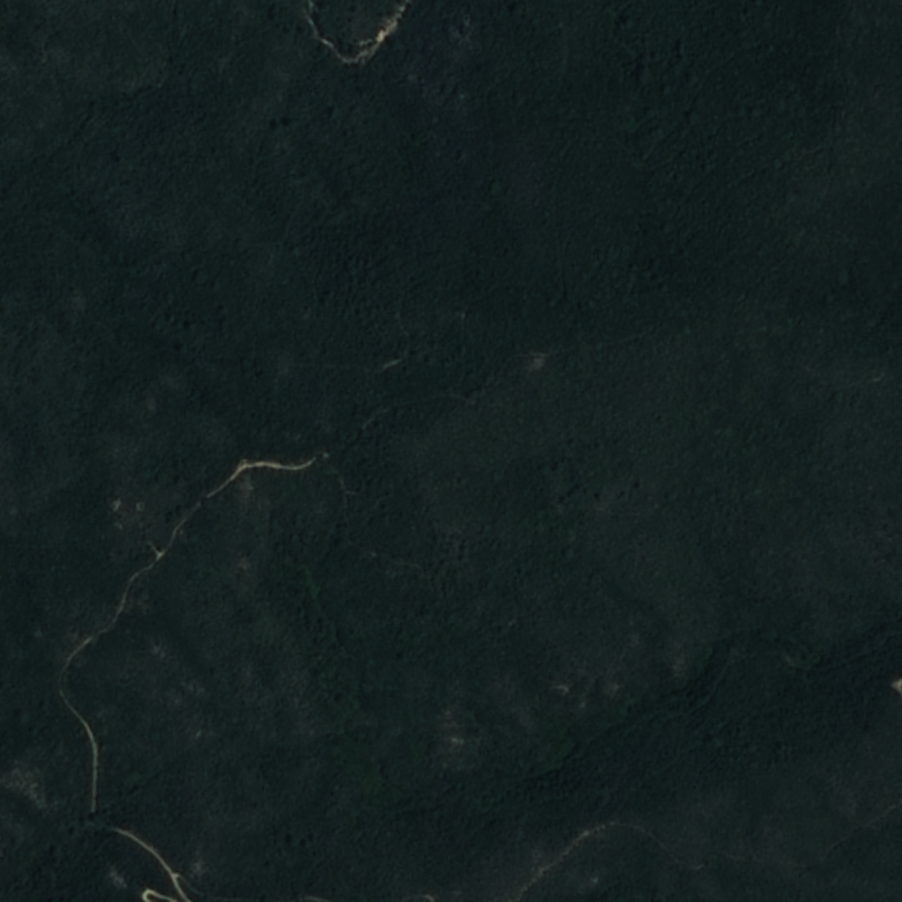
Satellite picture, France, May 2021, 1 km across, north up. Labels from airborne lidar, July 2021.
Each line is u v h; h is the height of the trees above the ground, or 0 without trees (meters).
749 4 6
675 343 9
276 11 21
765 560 5
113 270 6
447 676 6
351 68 13
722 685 6
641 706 9
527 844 7
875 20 10
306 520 6
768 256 6
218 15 8
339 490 7
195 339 5
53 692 7
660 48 8
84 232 7
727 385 6
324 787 7
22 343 6
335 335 7
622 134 7
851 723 8
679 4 5
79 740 8
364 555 9
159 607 6
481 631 9
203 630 5
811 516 9
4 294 6
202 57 7
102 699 6
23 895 7
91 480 7
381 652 7
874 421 6
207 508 8
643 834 7
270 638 8
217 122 8
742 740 6
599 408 6
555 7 7
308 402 7
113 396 6
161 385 6
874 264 12
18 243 6
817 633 7
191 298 8
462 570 6
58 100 7
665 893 8
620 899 11
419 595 6
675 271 9
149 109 7
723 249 7
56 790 7
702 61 7
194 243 6
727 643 7
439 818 9
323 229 8
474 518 6
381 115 8
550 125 7
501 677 7
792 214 8
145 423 6
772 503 7
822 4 7
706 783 6
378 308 9
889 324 10
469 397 12
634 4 6
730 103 6
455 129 7
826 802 6
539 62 10
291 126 21
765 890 6
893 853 6
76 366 6
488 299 6
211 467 6
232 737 7
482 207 8
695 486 7
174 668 8
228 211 6
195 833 6
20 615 10
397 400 8
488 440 6
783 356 8
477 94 7
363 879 5
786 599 9
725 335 7
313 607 7
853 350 6
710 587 5
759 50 8
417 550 6
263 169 9
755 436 9
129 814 8
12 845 6
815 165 8
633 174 7
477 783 8
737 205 6
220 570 6
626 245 9
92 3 10
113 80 11
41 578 6
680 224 7
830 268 7
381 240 10
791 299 7
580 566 9
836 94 8
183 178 7
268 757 11
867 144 6
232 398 7
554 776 9
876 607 10
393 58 7
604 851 7
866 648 12
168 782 5
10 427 6
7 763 6
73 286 7
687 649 6
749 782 7
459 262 5
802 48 7
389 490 7
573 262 5
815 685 6
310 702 5
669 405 5
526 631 6
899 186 10
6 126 8
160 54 7
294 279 6
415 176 10
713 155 14
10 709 7
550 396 6
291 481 6
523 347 8
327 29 20
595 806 5
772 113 8
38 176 7
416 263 7
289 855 7
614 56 7
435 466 7
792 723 5
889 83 7
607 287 7
